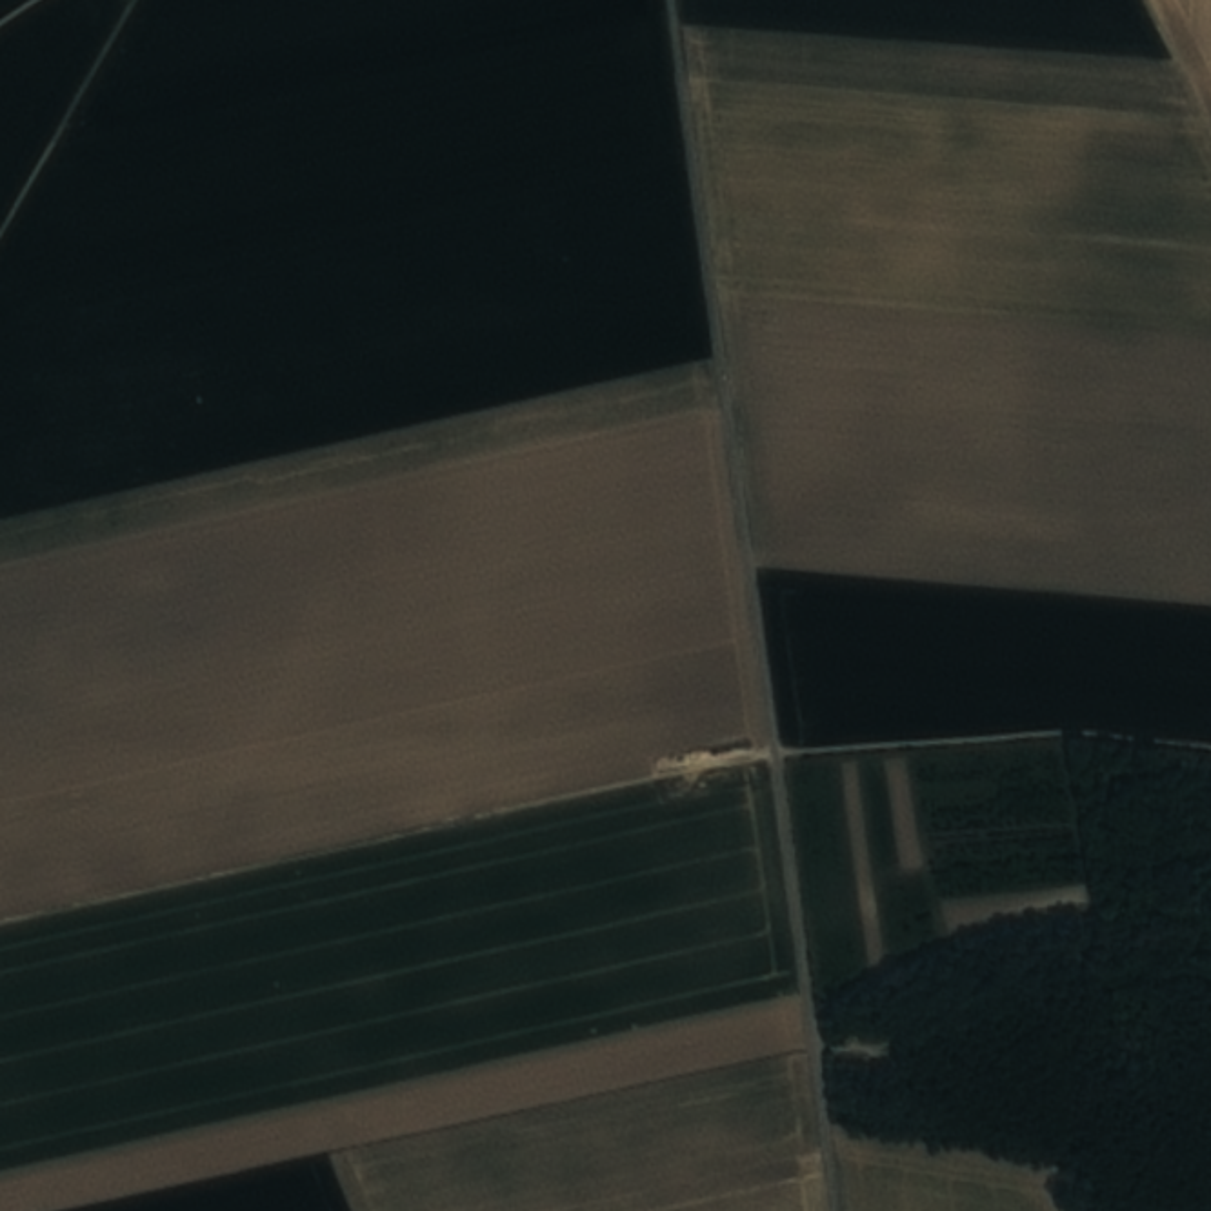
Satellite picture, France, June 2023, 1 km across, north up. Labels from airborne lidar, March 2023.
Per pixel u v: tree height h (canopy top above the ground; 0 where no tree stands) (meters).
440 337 0
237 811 0
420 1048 0
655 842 0
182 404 0
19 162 0
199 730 0
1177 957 14
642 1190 0
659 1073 0
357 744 0
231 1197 0
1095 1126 17
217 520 0
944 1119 17
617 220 0
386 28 0
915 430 0
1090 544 0
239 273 0
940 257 0
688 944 0
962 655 0
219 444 0
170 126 0
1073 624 0
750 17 0
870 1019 13
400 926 0
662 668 0
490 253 0
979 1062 20
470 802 0
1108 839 22
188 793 0
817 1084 0
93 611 0
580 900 0
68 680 0
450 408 0
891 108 0
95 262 0
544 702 0
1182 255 0
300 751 0
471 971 0
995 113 0
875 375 0
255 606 0
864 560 0
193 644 0
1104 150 0
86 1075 0
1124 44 0
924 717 0
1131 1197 20
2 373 0
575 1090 0
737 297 0
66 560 0
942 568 0
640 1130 0
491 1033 0
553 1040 0
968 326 0
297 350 0
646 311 0
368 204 0
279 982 0
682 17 0
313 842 0
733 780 0
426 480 0
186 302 0
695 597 0
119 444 0
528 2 0
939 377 0
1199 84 0
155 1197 0
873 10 0
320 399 0
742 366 0
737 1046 0
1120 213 0
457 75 0
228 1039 0
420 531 0
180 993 0
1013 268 0
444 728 0
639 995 0
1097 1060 15
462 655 0
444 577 0
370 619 0
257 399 0
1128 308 0
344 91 0
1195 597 0
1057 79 0
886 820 0
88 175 0
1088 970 11
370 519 0
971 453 0
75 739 0
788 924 0
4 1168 0
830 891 0
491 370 0
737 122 0
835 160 0
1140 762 13
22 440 0
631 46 0
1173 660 0
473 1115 0
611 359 0
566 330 0
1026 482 0
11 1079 0
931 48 0
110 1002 0
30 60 0
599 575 0
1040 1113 19
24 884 0
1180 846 10
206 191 0
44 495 0
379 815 0
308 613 0
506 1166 0
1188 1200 17
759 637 0
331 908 0
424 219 0
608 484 0
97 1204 0
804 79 0
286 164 0
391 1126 0
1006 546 0
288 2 0
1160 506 0
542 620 0
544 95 0
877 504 0
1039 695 0
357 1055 0
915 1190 0
